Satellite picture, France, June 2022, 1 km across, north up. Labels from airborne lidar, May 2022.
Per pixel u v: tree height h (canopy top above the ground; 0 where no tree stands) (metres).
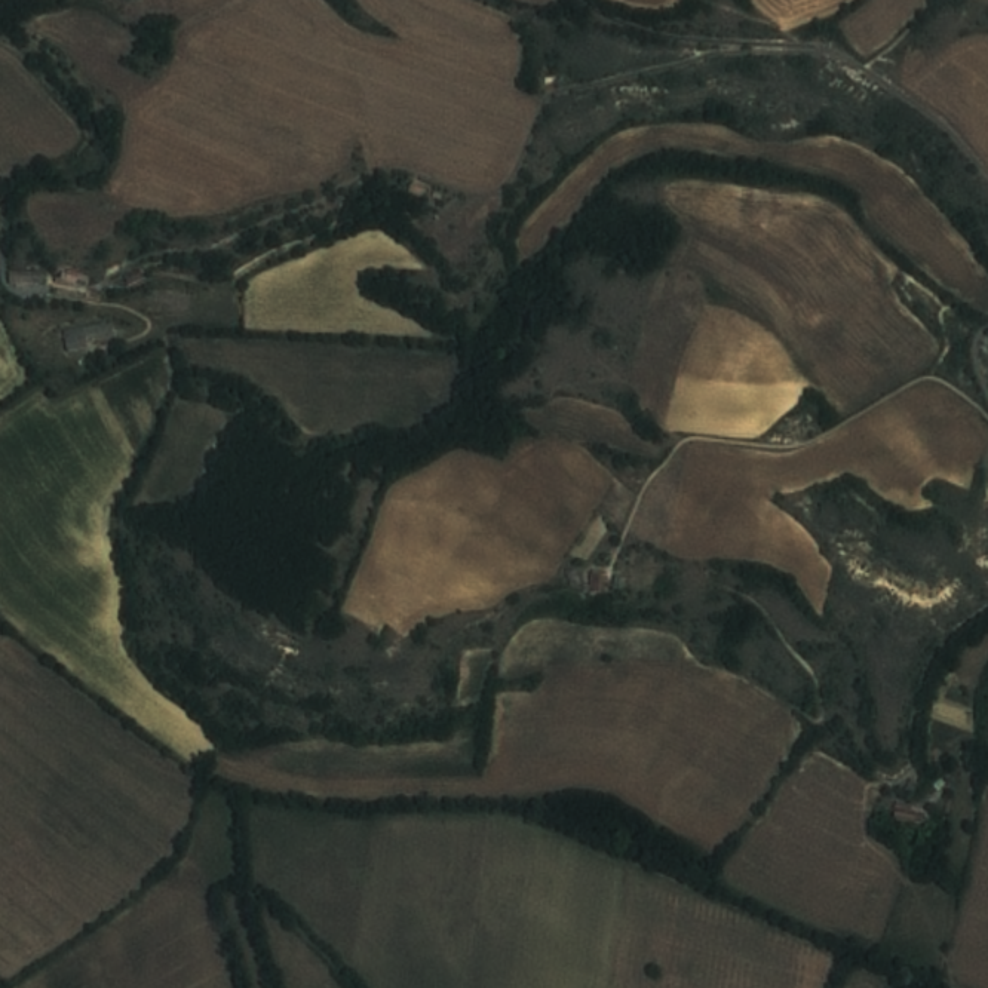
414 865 0
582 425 0
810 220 0
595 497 0
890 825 15
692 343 0
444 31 0
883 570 0
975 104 0
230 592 9
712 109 10
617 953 0
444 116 0
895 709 0
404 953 0
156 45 13
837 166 0
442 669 8
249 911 30
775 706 0
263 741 13
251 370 0
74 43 0
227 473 14
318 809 12
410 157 0
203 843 0
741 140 0
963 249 0
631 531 0
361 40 0
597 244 14
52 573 0
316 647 0
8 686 0
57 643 0
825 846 0
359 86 0
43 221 0
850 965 18
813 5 0
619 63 0
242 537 16
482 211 0
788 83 0
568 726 0
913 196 0
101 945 0
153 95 0
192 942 0
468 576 0
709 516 0
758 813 8
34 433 0
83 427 0
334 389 0
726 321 0
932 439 0
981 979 0
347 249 0
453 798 8
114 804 0
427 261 12
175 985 0
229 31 0
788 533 0
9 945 0
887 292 0
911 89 0
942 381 0
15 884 0
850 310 0
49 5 12
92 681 0
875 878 0
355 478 10
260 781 0
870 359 0
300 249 11
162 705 0
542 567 0
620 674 0
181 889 0
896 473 0
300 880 0
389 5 0
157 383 0
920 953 0
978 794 10
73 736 0
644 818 14
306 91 0
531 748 0
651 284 0
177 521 9
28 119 0
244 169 0
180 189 0
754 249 0
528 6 6
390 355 0
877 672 0
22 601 0
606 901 0
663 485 0
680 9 11
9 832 0
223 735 14
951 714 0
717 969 0
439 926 0
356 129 0
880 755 10
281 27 0
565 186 0
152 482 0
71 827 0
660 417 0
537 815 26
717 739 0
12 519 0
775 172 9
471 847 0
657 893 0
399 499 0
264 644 0
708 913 0
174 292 0
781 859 0
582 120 0
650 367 0
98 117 10
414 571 0
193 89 0
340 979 7
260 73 0
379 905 0
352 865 0
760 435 0
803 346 0
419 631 10
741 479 0
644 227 14
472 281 8
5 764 0
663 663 0
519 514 0
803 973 0
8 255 12
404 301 9
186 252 8
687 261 0
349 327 0
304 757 0
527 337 11
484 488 0
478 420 11
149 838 0
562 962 0
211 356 0
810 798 0
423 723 13
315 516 14
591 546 0
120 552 13
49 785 0
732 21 0
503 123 0
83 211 0
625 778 0
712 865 16
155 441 11
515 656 0
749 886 0
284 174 0
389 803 14
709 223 0
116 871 0
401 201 8
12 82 0
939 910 0
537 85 10
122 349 20
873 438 0
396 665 0
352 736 12
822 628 6
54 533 0
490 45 0
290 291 0
